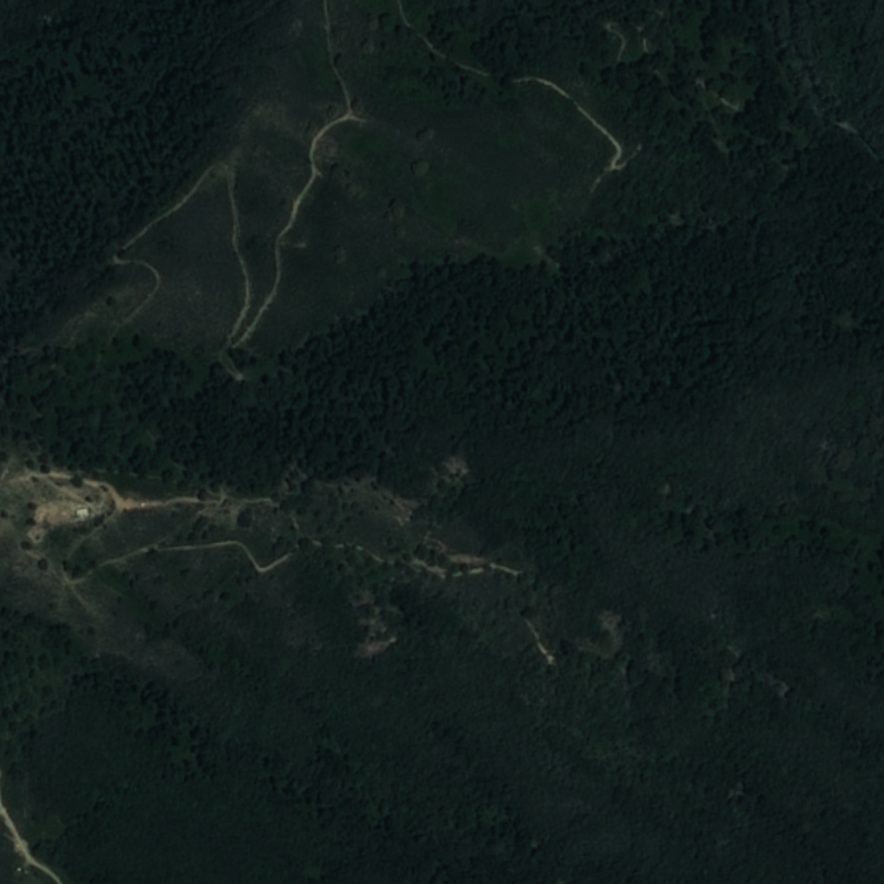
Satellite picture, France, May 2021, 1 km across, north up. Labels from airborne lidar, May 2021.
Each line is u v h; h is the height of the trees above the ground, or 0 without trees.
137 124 15
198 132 18
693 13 8
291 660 8
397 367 20
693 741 8
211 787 8
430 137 10
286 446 18
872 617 12
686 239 25
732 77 21
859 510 9
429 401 10
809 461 11
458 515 8
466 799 11
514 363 15
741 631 9
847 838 18
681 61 9
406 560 12
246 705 6
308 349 12
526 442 8
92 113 12
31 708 20
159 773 12
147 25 6
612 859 14
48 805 9
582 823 13
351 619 10
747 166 20
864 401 15
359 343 20
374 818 8
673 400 20
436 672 9
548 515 19
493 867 27
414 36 17
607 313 11
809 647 11
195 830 8
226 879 6
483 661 7
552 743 10
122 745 8
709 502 13
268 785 20
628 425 15
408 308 23
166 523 0
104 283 11
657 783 8
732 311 22
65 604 0
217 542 0
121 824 11
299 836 7
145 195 17
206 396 21
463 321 19
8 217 15
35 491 0
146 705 10
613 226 14
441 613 8
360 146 0
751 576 12
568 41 17
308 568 6
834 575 10
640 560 8
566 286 7
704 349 24
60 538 0
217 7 16
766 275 21
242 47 8
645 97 18
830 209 26
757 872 12
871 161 27
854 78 8
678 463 13
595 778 8
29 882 0
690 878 13
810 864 20
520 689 9
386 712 8
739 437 10
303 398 16
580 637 9
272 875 10
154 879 8
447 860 29
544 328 24
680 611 9
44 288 11
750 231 15
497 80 8
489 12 19
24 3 13
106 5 19
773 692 17
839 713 11
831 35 10
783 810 22
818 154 18
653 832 6
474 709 8
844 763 14
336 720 11
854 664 11
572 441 8
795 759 8
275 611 6
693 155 17
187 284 0
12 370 13
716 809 14
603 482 9
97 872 9
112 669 9
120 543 0
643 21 6
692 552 12
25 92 13
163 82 9
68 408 17
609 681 11
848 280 24
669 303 26
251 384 12
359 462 14
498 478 11
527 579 13
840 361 9
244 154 0
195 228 0
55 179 21
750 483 9
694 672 10
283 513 11
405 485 11
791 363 12
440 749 7
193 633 12
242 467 16
